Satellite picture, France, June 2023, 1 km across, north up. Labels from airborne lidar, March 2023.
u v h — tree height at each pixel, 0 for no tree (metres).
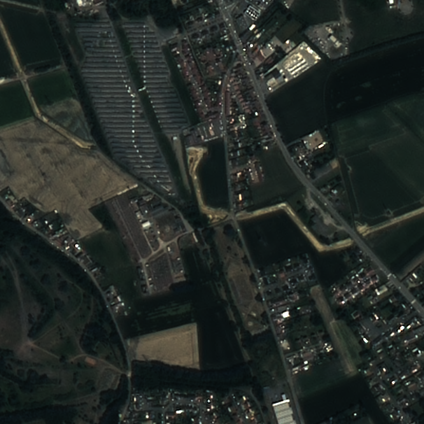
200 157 0
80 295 0
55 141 0
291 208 0
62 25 0
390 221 0
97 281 0
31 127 0
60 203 0
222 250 0
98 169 0
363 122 0
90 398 0
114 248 0
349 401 0
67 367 0
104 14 0
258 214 0
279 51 6
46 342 0
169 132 0
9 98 0
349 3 0
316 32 0
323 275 0
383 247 0
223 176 0
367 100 0
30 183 0
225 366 0
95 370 0
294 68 0
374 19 0
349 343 0
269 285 0
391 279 0
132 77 0
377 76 0
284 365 0
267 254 0
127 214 0
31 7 0
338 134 0
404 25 0
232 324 6
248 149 8
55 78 0
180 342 0
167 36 0
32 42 0
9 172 0
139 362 6
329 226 0
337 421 17
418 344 8
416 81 0
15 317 0
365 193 0
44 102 0
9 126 0
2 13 0
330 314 0
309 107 0
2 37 0
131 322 0
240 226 0
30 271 0
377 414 0
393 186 0
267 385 0
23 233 8
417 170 0
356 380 0
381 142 0
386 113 0
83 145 0
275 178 0
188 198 0
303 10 0
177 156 0
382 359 0
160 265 0
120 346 12
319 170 0
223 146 0
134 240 0
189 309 0
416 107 0
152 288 0
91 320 0
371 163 0
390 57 0
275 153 0
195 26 0
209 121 0
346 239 0
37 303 0
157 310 0
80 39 0
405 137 0
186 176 0
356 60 0
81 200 0
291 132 0
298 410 0
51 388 0
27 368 0
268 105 7
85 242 0
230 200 0
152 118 0
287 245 0
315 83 0
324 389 0
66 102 0
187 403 0
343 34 0
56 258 9
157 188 0
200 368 0
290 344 0
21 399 0
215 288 0
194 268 0
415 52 0
